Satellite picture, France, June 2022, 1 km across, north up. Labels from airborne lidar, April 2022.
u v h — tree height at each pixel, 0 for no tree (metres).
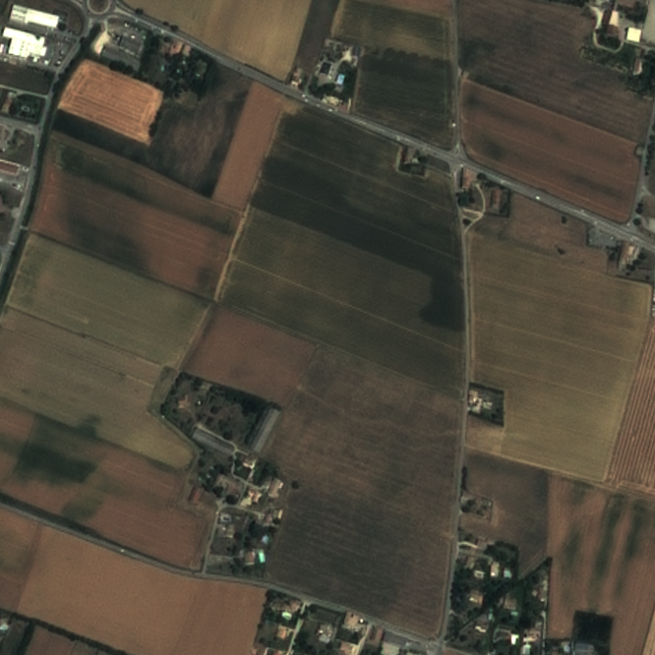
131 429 0
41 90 0
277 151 0
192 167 0
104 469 0
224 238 0
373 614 0
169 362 0
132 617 0
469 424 0
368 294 0
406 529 0
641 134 0
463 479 6
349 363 0
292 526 0
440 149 0
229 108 0
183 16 0
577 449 0
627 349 0
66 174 0
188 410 0
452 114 0
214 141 0
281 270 0
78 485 0
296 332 0
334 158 0
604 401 0
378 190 0
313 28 0
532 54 0
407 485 0
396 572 0
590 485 0
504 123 0
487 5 0
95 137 0
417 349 0
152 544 0
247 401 11
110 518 0
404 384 0
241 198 0
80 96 0
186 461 0
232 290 0
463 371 0
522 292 0
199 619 0
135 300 0
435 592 0
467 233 0
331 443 0
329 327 0
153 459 0
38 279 0
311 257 0
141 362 0
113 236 0
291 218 0
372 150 0
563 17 0
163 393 0
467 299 0
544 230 0
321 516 0
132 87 0
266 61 0
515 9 0
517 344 0
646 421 0
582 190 0
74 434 0
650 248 0
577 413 0
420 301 0
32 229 0
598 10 0
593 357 0
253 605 0
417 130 0
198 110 0
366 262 0
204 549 0
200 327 0
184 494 0
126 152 0
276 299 0
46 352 0
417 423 0
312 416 0
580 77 0
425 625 0
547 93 0
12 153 0
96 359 0
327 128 0
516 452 0
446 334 0
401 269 0
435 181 0
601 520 0
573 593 0
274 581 0
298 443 0
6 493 0
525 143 0
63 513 0
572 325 0
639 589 0
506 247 0
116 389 0
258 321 0
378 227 0
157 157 0
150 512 0
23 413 0
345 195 0
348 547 0
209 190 0
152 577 0
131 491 0
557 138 0
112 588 0
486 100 0
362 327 0
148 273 0
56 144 0
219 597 0
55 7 0
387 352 0
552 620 0
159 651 0
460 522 0
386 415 0
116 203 0
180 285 0
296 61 0
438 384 0
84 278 0
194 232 0
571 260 0
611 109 0
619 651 0
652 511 0
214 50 0
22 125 0
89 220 0
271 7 0
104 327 0
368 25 0
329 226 0
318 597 0
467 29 0
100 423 0
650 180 0
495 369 0
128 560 0
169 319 0
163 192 0
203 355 0
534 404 0
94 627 0
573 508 0
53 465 0
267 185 0
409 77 0
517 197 0
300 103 0
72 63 10
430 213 0
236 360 0
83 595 0
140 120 0
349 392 0
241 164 0
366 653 7
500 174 0
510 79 0
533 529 0
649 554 0
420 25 0
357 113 0
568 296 0
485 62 0
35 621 8
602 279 0
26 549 0
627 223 0
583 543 0
